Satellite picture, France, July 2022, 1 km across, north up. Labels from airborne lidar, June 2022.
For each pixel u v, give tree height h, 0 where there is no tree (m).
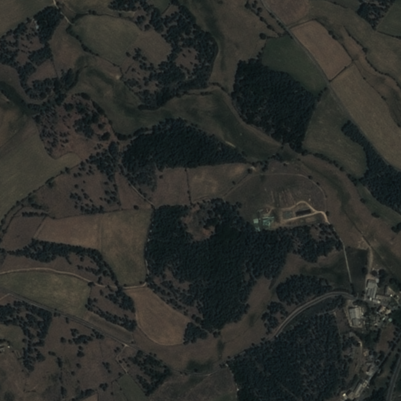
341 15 0
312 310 0
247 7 10
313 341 16
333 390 13
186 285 0
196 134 21
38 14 11
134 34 0
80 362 0
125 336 0
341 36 0
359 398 0
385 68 0
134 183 8
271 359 18
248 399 12
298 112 21
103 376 0
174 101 0
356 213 0
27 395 0
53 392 0
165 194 0
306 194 0
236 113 0
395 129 0
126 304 15
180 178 0
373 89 0
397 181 18
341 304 10
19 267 0
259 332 0
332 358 14
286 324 0
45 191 0
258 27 0
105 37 0
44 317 19
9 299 0
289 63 0
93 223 0
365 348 0
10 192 0
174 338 0
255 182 0
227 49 0
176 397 0
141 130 11
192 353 0
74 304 0
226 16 0
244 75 11
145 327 0
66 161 0
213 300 16
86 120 18
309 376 11
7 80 0
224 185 0
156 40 0
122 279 0
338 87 0
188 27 17
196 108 0
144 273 0
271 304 9
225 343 0
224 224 16
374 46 0
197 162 15
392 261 0
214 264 17
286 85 7
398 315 0
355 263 0
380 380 0
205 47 18
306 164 0
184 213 12
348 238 0
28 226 0
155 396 0
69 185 0
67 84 9
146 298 0
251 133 0
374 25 10
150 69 13
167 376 12
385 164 21
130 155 17
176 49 14
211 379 0
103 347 0
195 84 16
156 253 13
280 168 0
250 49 0
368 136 0
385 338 0
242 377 14
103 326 0
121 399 0
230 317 16
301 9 0
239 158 18
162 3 0
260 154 0
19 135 0
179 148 19
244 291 18
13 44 10
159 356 0
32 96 12
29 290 0
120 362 10
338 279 0
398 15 0
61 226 0
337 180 0
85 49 17
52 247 20
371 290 0
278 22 6
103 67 0
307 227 9
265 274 10
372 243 0
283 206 0
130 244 0
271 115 12
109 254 0
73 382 0
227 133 0
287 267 0
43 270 0
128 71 0
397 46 0
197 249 18
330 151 0
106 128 0
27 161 0
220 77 0
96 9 0
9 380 0
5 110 0
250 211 0
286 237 8
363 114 0
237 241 18
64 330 0
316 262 14
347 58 0
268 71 14
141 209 0
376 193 17
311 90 0
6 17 0
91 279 0
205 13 0
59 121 0
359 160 0
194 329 16
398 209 6
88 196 12
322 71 0
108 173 17
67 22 0
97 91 0
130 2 15
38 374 0
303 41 0
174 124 22
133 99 0
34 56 19
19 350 0
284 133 11
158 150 15
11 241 0
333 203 0
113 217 0
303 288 12
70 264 17
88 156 0
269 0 0
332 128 0
